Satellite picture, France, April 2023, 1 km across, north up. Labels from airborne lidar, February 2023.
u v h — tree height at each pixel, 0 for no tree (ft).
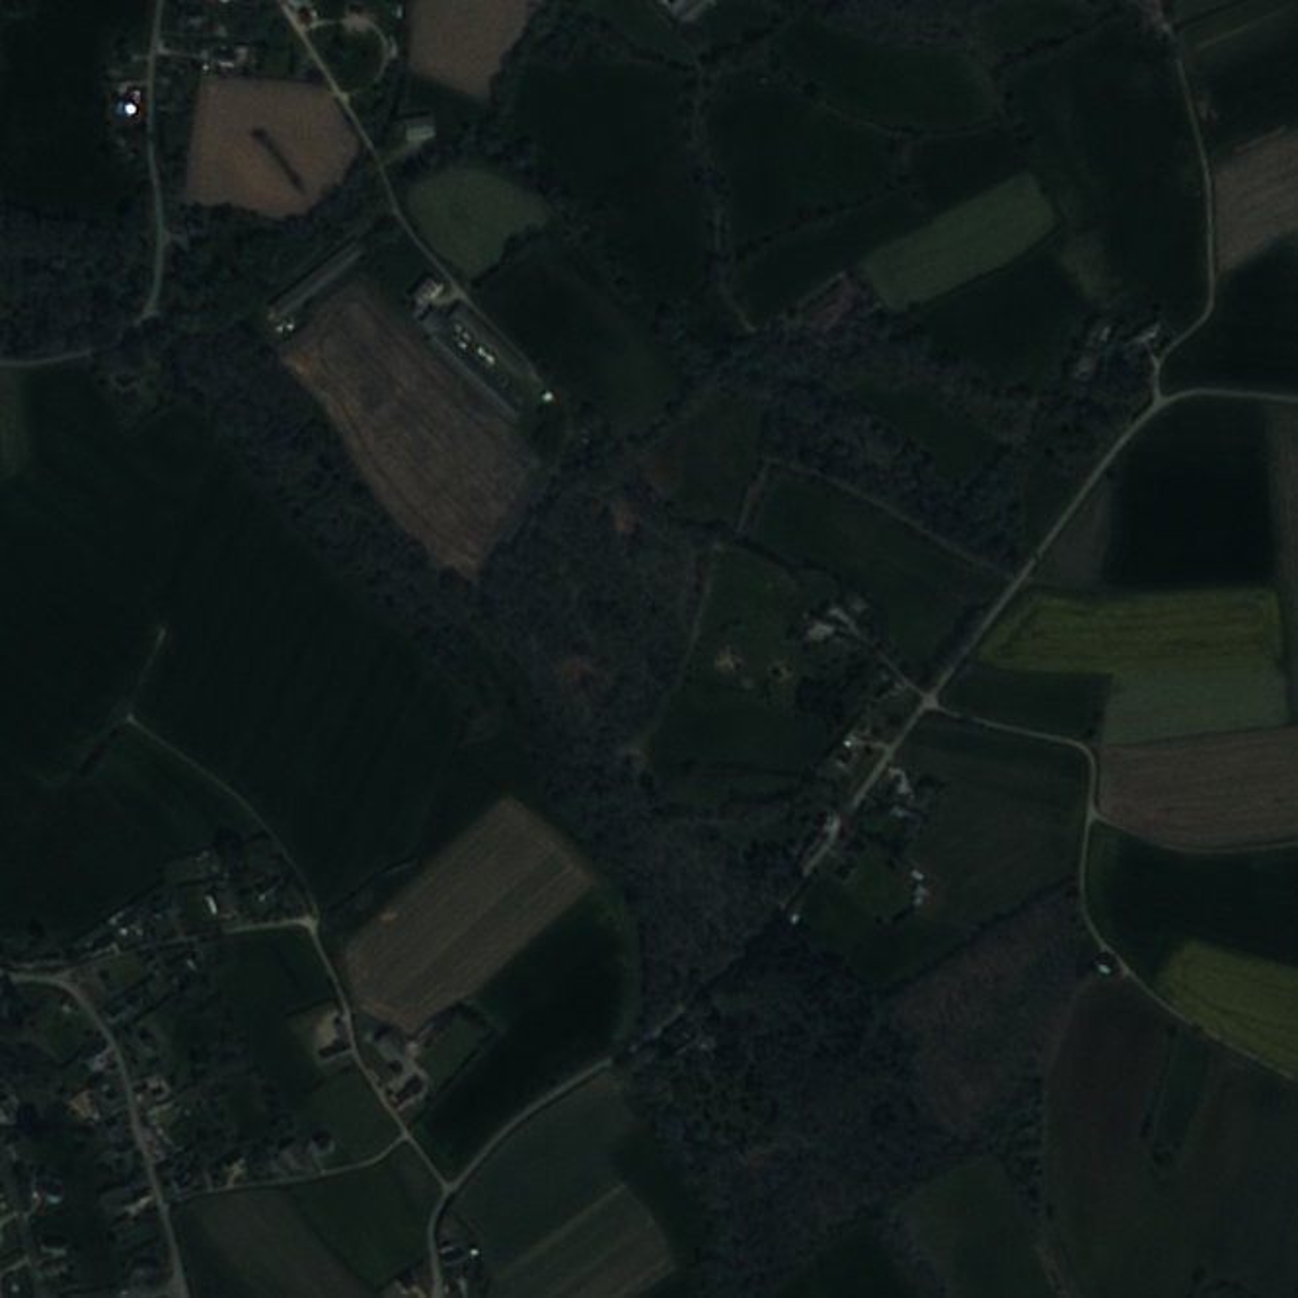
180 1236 0
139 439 0
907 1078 43
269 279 30
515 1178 0
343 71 23
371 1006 0
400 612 20
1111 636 0
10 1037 62
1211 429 0
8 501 0
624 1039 0
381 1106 0
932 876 0
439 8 0
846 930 0
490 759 0
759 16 0
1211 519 0
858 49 0
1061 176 0
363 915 0
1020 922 34
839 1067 40
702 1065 40
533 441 0
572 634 52
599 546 46
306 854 0
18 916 0
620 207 0
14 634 0
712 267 37
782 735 0
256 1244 0
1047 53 30
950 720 20
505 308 0
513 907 0
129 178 0
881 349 47
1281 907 0
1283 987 0
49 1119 0
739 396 27
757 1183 42
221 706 0
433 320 0
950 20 54
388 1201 0
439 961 0
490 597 45
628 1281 0
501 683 33
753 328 0
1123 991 0
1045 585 0
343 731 0
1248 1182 0
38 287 62
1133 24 35
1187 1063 0
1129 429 0
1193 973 0
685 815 30
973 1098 39
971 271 0
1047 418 21
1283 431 0
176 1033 0
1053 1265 0
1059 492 0
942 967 26
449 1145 0
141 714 0
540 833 0
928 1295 57
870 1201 50
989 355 0
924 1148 51
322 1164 0
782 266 0
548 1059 0
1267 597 0
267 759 0
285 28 28
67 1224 0
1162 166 0
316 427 28
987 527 38
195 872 0
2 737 0
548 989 0
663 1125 40
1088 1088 0
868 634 46
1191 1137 0
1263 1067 0
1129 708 0
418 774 0
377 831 0
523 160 27
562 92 0
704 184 41
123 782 0
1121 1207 0
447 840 0
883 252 0
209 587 0
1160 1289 0
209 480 0
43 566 0
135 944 0
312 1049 0
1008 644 0
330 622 0
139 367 48
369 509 34
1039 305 0
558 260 0
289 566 0
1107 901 0
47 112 0
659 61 25
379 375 0
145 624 0
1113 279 0
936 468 20
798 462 35
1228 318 0
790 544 0
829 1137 28
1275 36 0
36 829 0
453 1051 0
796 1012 38
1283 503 0
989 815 0
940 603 0
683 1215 0
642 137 0
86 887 0
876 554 0
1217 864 0
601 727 44
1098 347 24
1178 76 0
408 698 0
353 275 0
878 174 0
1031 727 0
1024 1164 19
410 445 0
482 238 0
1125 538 0
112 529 0
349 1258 0
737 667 0
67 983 0
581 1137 0
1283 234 0
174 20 0
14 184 0
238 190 0
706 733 0
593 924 0
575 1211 0
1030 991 45
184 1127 0
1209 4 0
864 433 64
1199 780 0
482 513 0
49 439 0
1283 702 0
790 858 35
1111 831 0
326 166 0
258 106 0
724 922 43
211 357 61
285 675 0
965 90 0
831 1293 0
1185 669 0
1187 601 0
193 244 37
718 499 0
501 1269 0
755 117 0
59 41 0
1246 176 0
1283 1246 0
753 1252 47
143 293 24
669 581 42
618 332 0
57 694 0
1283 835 0
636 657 47
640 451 41
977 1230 0
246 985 0
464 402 0
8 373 0
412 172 42
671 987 39
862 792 0
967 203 0
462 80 0
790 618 0
